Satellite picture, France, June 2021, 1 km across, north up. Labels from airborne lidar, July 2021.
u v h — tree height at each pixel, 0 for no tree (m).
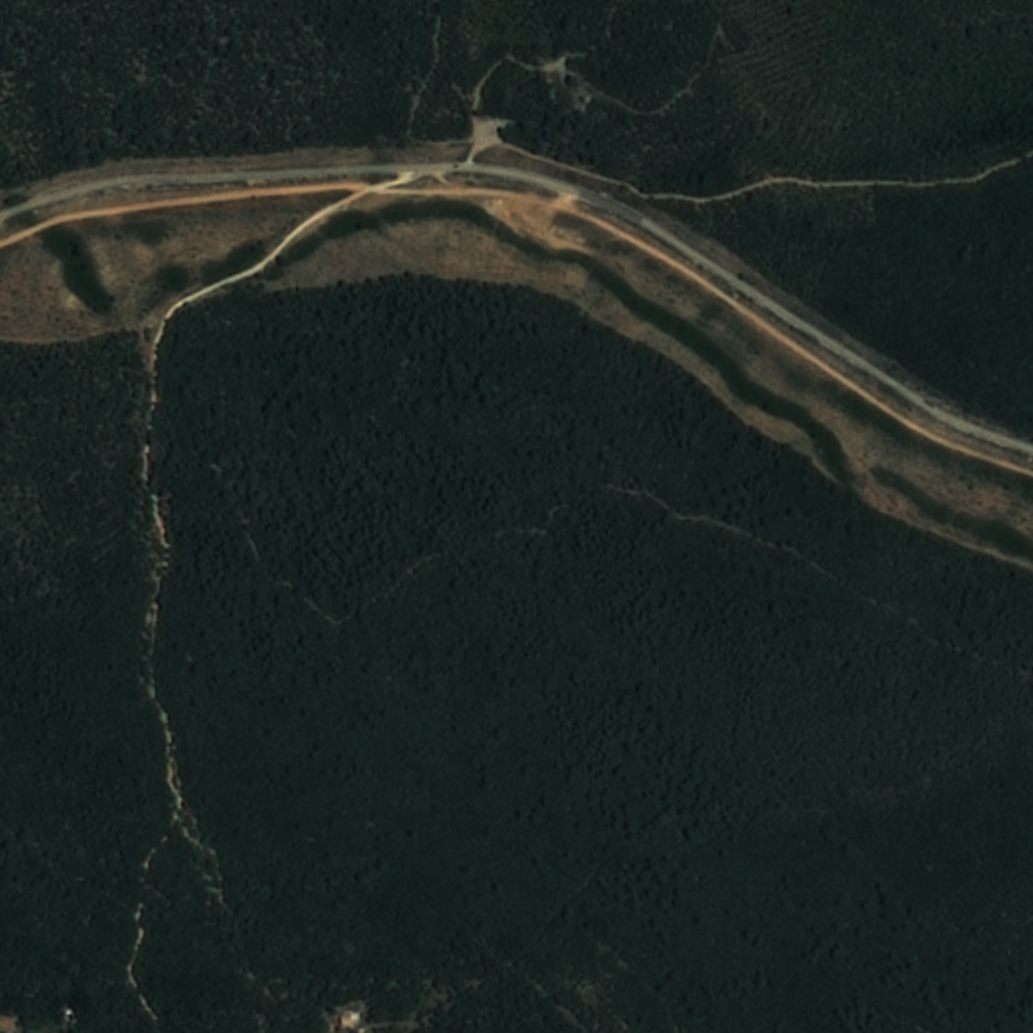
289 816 7
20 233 0
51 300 0
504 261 0
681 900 7
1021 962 12
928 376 7
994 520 0
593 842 7
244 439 8
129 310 0
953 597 6
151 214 0
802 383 0
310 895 10
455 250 0
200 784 7
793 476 6
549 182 0
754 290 0
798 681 9
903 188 6
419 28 7
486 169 0
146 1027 9
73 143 11
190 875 7
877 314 6
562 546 12
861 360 0
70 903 12
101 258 0
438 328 13
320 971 9
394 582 9
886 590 7
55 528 6
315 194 0
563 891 8
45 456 7
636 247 0
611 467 8
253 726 6
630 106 6
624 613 13
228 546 7
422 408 12
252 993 9
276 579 12
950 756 8
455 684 10
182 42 9
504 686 12
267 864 9
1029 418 5
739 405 0
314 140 13
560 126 11
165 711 7
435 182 0
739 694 12
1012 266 6
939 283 6
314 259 0
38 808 9
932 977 6
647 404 7
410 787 6
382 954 9
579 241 0
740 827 13
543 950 6
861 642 9
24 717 9
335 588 12
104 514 6
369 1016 8
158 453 6
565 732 13
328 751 6
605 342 9
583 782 7
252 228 0
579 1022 7
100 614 13
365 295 11
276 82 16
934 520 0
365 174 0
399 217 0
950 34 6
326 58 6
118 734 6
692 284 0
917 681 6
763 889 6
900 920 5
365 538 10
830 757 10
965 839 6
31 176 6
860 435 0
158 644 7
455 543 12
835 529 12
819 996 6
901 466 0
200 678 7
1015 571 5
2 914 9
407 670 12
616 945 7
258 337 11
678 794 9
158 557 5
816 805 6
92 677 6
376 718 5
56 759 7
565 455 11
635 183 6
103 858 6
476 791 6
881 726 11
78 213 0
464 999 9
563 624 6
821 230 6
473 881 7
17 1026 11
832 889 6
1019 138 7
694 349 0
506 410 13
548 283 0
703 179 15
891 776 5
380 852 8
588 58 6
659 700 11
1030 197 7
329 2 13
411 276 15
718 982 8
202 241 0
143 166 0
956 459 0
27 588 8
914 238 6
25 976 7
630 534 8
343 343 12
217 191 0
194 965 8
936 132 7
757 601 6
